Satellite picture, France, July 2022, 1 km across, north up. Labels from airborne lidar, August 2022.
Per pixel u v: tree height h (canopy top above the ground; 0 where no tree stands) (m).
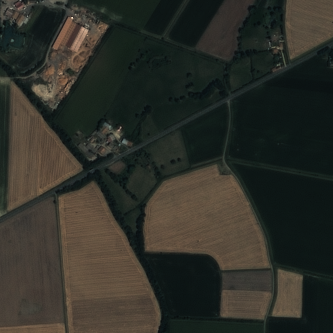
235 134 0
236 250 0
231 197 0
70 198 0
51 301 0
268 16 0
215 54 0
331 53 15
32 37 0
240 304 0
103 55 0
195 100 15
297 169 0
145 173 0
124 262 0
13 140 0
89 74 0
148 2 0
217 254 0
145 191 0
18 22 0
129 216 0
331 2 0
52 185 0
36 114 0
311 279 0
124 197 0
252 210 0
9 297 0
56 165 0
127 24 0
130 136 6
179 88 0
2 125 0
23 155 0
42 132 0
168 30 0
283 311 0
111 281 0
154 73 0
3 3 8
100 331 0
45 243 0
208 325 0
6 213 0
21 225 0
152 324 0
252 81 7
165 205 0
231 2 0
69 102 0
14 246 0
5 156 0
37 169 0
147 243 0
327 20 0
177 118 0
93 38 0
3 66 11
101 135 0
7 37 0
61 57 0
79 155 16
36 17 0
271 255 0
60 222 0
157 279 0
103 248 0
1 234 0
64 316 0
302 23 0
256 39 0
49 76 0
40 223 0
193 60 0
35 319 0
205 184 0
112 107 0
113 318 0
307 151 0
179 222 0
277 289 0
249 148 0
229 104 0
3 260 0
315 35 0
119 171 0
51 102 0
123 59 0
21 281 0
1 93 0
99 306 0
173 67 0
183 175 0
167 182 0
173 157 0
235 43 0
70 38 0
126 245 0
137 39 0
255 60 0
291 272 0
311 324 0
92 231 0
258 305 0
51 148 0
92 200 0
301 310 0
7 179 0
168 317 14
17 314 0
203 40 0
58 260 0
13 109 0
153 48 0
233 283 0
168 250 0
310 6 0
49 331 0
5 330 0
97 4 0
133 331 0
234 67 0
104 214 0
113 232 0
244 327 0
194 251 0
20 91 0
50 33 0
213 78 0
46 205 0
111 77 0
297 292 0
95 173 15
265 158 0
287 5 0
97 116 0
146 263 16
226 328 0
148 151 0
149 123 0
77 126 0
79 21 0
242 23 0
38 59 0
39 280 0
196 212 0
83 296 0
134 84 0
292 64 0
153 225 0
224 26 0
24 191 0
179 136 0
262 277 0
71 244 0
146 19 0
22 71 0
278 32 0
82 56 0
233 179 0
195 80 0
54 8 0
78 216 0
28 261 0
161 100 0
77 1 0
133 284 0
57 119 0
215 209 0
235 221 0
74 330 0
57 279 0
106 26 0
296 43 0
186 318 8
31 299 0
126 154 0
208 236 0
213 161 0
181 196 0
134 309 0
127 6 0
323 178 0
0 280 0
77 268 0
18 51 0
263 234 0
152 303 0
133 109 0
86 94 0
